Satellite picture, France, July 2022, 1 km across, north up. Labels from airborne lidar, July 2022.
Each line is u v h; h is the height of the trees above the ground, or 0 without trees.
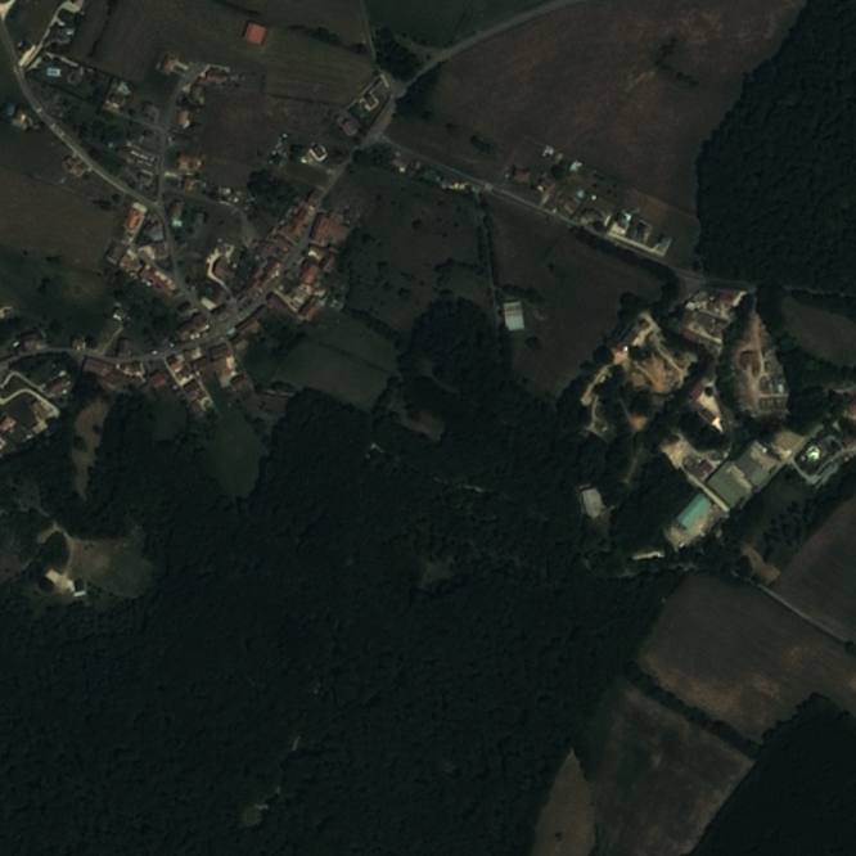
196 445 10
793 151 17
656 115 0
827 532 0
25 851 19
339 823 25
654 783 0
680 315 8
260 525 17
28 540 7
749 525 20
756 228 15
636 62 0
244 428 0
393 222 0
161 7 0
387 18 0
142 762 23
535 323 0
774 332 18
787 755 8
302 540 21
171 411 0
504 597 20
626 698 0
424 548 6
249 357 0
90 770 25
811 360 18
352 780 20
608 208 0
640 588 17
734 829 7
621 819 0
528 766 21
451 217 0
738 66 0
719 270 15
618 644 25
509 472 12
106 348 0
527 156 0
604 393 17
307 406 15
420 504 23
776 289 18
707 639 0
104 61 0
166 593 15
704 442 7
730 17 0
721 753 0
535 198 0
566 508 18
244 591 22
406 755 21
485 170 0
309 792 20
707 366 8
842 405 18
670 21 0
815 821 8
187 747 21
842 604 0
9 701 22
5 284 0
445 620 26
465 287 0
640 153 0
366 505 20
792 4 0
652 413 7
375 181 0
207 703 20
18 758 22
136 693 24
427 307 0
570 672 22
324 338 0
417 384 14
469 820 21
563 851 0
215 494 16
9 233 0
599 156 0
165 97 0
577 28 0
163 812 20
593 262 0
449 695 22
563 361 0
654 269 16
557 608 27
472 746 22
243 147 0
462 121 0
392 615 23
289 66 0
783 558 0
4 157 0
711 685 0
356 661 22
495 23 0
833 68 21
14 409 0
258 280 0
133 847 19
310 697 20
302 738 16
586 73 0
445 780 22
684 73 6
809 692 0
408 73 15
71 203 0
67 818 22
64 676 21
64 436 18
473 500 17
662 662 0
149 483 21
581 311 0
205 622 25
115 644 18
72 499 12
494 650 18
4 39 0
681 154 0
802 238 15
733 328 11
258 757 20
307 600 23
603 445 20
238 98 0
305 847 25
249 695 22
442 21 0
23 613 8
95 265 0
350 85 0
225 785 21
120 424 6
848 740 8
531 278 0
